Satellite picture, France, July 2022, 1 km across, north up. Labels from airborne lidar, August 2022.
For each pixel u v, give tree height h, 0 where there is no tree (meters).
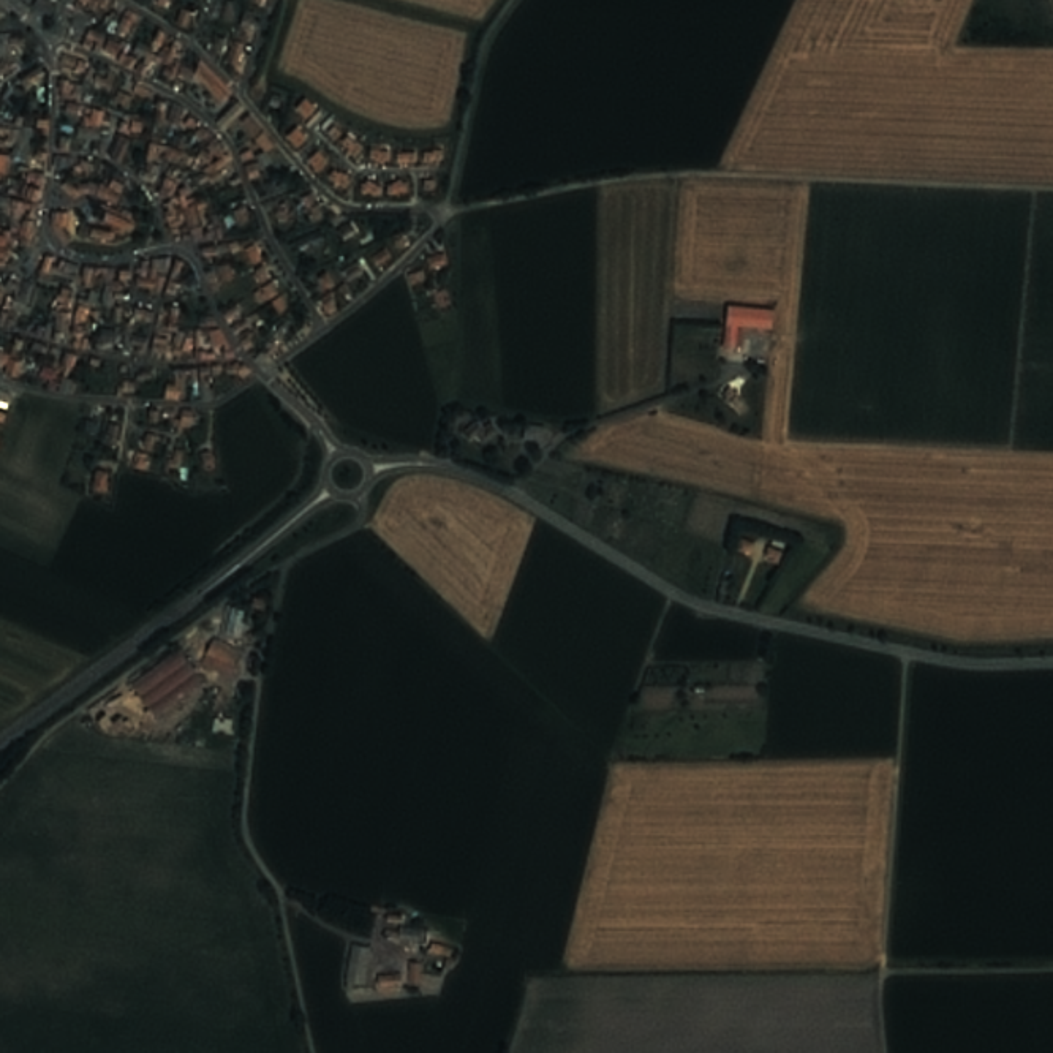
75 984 0
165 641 6
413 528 0
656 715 0
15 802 0
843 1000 0
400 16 0
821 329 0
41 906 0
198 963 0
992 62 0
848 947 0
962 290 0
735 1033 0
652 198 0
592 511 0
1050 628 0
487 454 10
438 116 0
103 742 0
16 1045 0
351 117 0
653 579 0
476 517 0
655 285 0
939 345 0
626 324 0
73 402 0
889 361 0
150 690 0
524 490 0
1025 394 0
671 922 0
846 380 0
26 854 0
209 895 0
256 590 7
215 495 0
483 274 0
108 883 0
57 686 0
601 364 0
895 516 0
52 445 0
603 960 0
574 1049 0
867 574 0
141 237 10
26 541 0
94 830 0
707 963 0
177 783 0
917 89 0
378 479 0
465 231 0
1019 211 0
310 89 0
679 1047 0
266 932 0
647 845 0
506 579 0
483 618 0
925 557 0
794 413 0
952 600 0
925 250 0
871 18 0
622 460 0
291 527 0
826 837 0
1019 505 0
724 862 0
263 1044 0
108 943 0
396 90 0
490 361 0
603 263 0
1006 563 0
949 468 0
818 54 0
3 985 0
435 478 0
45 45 0
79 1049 0
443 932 0
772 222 0
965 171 0
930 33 0
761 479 0
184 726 0
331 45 0
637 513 0
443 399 0
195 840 0
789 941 0
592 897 0
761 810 0
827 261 0
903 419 0
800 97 0
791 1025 0
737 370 0
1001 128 0
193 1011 0
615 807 0
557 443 0
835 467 0
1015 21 0
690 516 0
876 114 0
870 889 0
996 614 0
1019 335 0
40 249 0
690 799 0
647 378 0
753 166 0
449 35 0
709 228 0
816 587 0
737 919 0
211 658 0
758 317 0
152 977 0
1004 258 0
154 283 0
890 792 0
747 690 0
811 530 0
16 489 0
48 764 0
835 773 0
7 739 0
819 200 0
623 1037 0
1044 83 0
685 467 0
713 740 0
